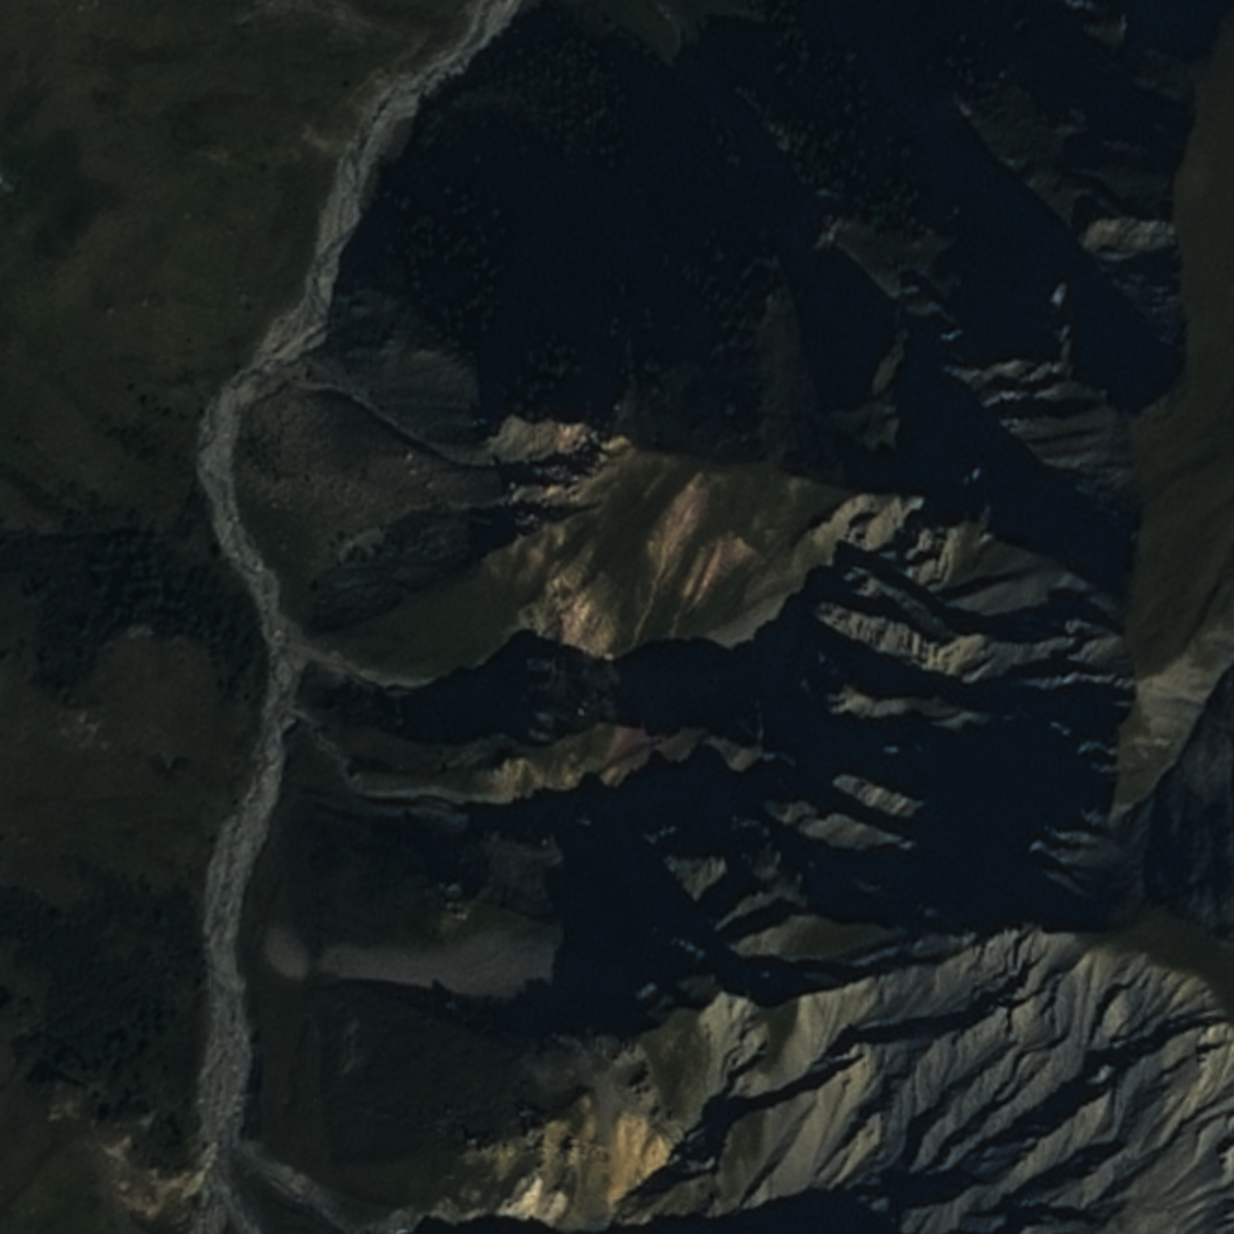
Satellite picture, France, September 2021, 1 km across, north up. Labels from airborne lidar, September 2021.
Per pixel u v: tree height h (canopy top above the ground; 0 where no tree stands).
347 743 0
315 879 0
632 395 0
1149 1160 0
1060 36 0
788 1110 0
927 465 0
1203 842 0
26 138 0
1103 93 0
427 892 0
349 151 0
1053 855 0
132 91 0
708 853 0
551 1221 0
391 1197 0
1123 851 0
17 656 0
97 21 0
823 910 0
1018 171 0
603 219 9
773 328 0
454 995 0
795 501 0
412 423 0
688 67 0
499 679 0
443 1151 0
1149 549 0
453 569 0
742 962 0
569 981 0
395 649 0
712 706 0
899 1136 0
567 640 0
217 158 0
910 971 0
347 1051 0
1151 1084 0
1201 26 0
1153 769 0
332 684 0
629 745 0
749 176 7
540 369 10
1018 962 0
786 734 0
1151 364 0
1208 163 0
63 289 0
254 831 0
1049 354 0
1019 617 0
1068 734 0
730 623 0
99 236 0
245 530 0
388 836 0
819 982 0
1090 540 0
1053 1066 0
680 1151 0
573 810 0
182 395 0
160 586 8
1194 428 0
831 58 10
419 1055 0
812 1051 0
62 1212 0
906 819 0
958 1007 0
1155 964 0
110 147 0
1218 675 0
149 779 0
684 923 0
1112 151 0
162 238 0
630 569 0
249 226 0
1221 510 0
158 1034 9
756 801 0
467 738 0
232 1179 0
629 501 0
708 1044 0
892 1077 0
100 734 0
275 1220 0
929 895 0
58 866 0
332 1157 0
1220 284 0
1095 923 0
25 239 0
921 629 0
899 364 0
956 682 0
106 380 0
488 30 0
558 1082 0
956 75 8
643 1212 0
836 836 0
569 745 0
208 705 0
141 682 0
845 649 0
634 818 0
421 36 0
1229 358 0
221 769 0
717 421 0
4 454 0
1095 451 0
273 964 0
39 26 0
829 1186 0
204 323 0
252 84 0
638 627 0
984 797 0
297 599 0
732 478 0
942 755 0
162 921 10
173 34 0
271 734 0
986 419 0
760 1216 0
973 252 0
